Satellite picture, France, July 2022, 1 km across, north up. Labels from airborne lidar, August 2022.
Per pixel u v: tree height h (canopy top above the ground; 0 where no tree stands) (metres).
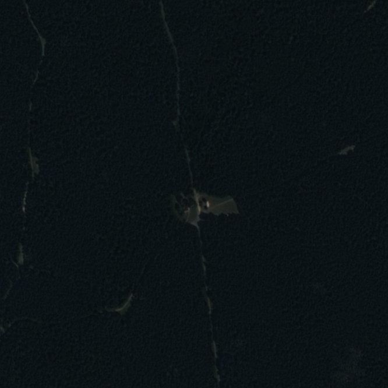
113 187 22
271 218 25
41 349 18
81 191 23
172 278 28
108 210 26
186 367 27
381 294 20
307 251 22
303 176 27
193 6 15
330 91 22
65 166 22
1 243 13
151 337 27
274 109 20
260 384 22
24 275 21
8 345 21
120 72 19
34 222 24
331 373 23
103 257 20
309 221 25
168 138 22
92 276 26
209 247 27
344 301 20
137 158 16
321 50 18
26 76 23
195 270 32
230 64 13
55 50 24
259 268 26
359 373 18
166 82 15
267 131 15
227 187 21
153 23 16
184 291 23
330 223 27
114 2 20
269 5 10
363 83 22
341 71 15
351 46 19
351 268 23
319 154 24
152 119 14
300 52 14
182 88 20
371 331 19
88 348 22
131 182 22
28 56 21
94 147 25
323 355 22
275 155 20
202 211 0
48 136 24
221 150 24
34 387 20
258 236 27
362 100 15
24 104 17
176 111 22
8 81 20
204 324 28
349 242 16
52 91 19
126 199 12
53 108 18
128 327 28
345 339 23
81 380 22
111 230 19
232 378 24
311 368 21
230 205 0
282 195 23
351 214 24
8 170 27
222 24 15
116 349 28
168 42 14
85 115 19
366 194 23
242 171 21
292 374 21
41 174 11
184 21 13
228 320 27
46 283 26
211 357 26
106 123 19
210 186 25
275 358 27
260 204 21
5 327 16
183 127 13
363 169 22
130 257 26
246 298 26
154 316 27
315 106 20
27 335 15
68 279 26
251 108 19
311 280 21
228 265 24
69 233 22
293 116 17
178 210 16
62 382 17
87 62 21
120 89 24
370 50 18
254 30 15
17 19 18
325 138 18
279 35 9
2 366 23
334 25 17
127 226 25
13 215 15
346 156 16
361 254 22
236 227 26
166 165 22
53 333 14
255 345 21
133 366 24
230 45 14
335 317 22
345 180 30
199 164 20
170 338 28
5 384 17
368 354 15
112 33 19
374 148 23
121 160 24
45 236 20
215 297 23
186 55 14
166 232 23
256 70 10
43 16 18
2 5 16
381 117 23
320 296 27
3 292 19
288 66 12
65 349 18
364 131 21
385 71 23
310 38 14
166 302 23
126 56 15
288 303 19
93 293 26
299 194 23
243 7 8
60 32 19
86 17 19
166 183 18
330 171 26
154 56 19
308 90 20
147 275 26
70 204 23
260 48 14
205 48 17
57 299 25
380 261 10
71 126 23
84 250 22
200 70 19
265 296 27
